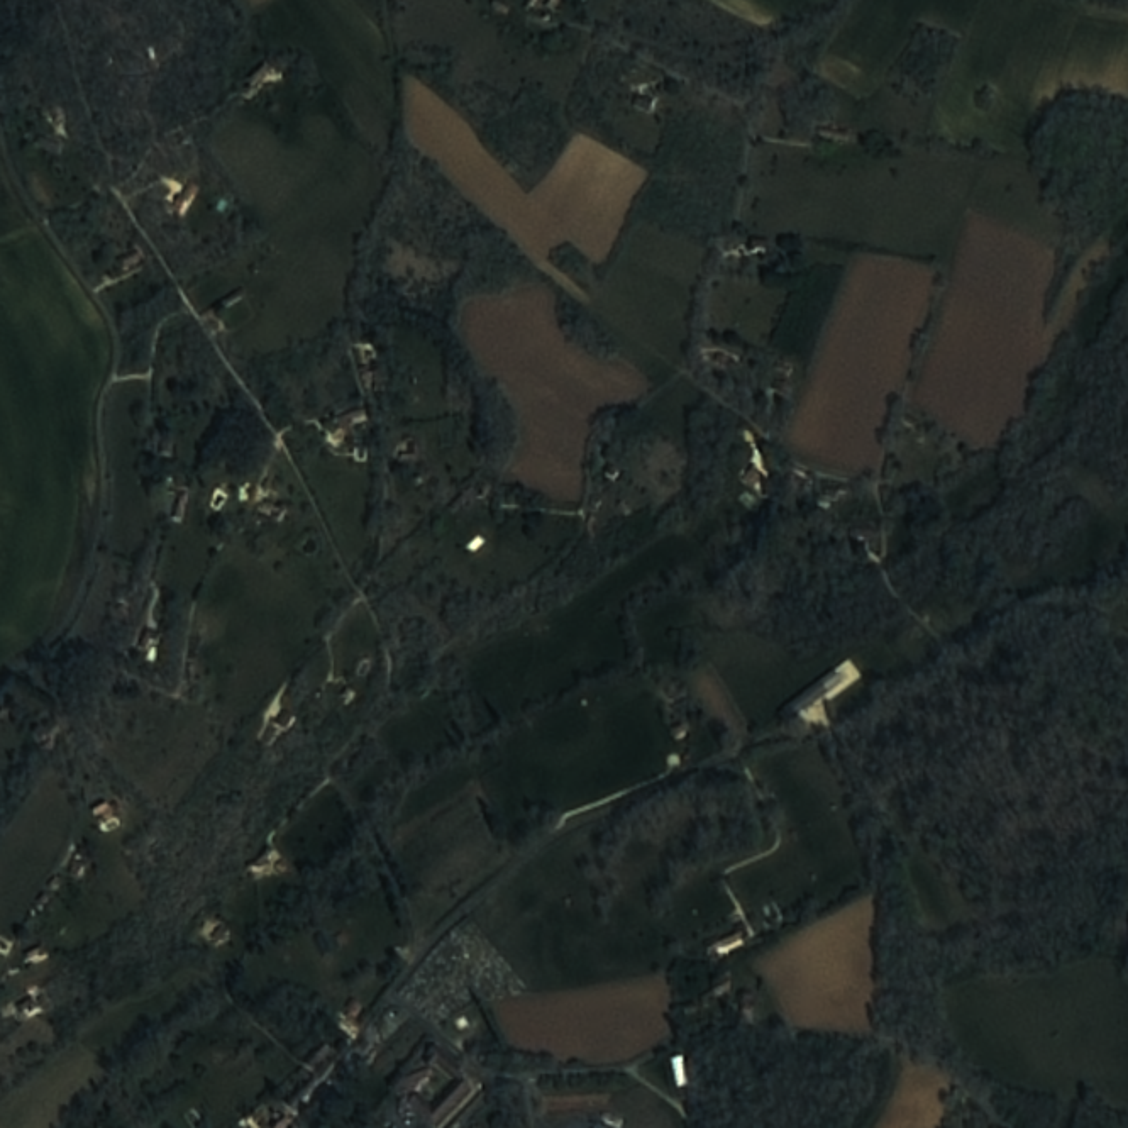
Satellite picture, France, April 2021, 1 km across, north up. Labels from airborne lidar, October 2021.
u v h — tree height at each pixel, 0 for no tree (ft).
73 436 0
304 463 21
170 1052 93
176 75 55
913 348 31
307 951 0
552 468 0
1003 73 0
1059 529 30
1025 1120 47
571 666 0
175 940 54
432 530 31
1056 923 66
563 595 48
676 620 0
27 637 0
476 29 0
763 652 0
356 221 0
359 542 0
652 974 28
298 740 55
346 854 68
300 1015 54
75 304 0
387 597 45
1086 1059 0
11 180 0
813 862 0
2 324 0
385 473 42
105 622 25
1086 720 81
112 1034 0
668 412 0
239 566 0
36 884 0
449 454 0
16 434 0
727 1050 55
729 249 21
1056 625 71
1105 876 64
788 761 0
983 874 63
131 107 56
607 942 0
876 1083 21
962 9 0
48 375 0
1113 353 25
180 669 42
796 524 25
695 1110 49
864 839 65
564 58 0
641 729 0
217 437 55
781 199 0
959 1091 20
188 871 38
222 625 0
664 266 0
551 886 0
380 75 0
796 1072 56
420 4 0
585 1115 0
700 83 28
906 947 79
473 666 0
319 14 0
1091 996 0
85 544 0
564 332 49
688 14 0
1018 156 0
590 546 23
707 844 62
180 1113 0
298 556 24
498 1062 44
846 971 0
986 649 76
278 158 0
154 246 53
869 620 71
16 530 0
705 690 0
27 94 44
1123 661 64
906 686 67
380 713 66
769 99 42
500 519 38
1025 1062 0
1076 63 0
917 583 52
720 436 66
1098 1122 49
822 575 60
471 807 0
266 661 0
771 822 60
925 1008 77
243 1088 0
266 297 0
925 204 0
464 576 0
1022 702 84
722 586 52
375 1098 0
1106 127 75
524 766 0
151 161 49
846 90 0
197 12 53
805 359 26
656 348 0
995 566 23
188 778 0
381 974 26
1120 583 59
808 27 52
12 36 68
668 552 0
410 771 79
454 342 59
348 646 0
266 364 24
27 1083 36
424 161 22
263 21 26
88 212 42
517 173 0
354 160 0
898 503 51
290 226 0
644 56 42
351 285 43
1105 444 22
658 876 0
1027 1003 0
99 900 0
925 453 0
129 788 38
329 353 41
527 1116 65
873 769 69
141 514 0
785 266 53
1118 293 34
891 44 0
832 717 40
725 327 0
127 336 28
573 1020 0
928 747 23
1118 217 60
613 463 40
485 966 0
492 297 46
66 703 39
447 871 0
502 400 64
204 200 0
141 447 28
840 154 0
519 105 25
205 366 49
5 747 0
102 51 47
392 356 74
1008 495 45
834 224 0
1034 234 0
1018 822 72
